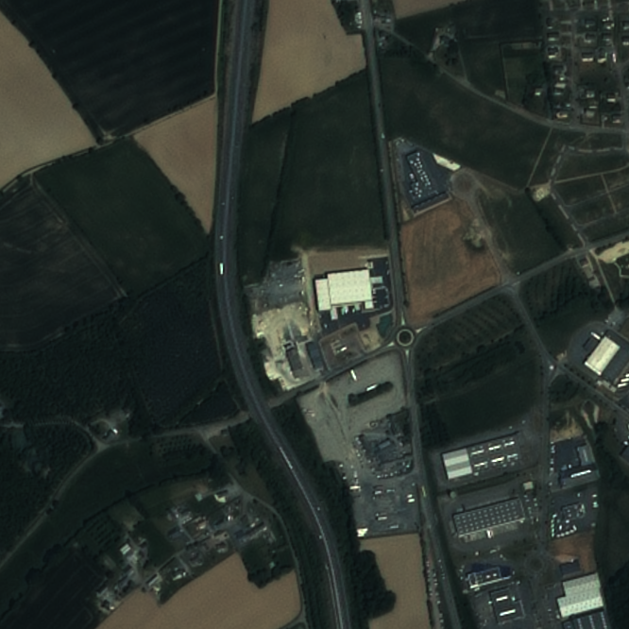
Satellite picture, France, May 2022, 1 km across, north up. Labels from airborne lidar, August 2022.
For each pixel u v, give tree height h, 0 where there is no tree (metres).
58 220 0
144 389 7
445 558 0
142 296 5
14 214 0
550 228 12
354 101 0
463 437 0
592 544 0
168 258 0
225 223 0
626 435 0
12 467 10
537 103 0
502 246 0
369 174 0
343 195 0
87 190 0
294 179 0
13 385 13
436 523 0
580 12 0
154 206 0
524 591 0
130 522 0
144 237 0
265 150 0
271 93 0
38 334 0
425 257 0
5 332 0
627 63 0
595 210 0
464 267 0
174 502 0
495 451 0
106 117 0
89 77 0
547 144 0
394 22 0
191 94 0
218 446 0
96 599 0
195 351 7
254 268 0
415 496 0
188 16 0
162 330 13
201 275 9
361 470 0
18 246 0
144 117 0
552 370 0
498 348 6
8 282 0
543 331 0
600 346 0
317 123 0
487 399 0
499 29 0
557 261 0
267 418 0
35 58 0
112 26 0
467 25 0
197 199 0
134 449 0
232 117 0
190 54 0
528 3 0
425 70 0
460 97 0
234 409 8
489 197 0
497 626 0
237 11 0
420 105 0
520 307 0
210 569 0
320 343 0
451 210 0
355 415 0
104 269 0
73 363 10
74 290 0
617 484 9
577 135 0
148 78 0
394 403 0
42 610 0
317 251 0
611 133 0
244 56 0
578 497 0
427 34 0
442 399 0
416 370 0
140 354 8
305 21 0
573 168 0
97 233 0
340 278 0
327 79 0
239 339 0
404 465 0
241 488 0
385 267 0
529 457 0
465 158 0
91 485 0
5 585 0
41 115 0
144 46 0
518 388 0
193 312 8
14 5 0
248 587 0
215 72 0
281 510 6
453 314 0
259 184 0
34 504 10
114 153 0
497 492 0
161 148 0
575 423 0
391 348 0
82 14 0
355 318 0
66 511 0
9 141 0
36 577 20
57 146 0
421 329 0
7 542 9
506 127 0
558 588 0
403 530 0
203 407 7
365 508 0
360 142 0
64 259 0
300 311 0
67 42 0
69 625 0
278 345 0
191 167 0
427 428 6
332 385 0
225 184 0
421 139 0
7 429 7
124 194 0
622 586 20
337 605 0
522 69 0
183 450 6
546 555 0
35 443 14
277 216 8
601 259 0
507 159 0
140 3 0
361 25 0
